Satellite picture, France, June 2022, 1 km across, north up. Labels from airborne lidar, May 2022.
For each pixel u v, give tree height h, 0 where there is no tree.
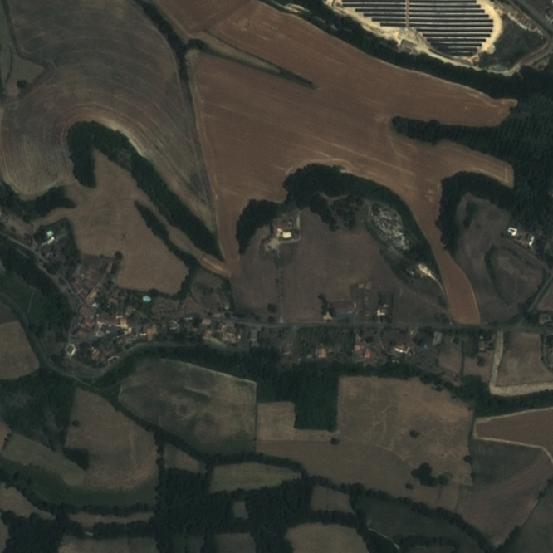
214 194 0
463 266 0
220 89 0
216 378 0
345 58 0
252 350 11
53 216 0
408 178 0
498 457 0
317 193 10
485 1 0
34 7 0
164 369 0
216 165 0
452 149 0
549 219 13
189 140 0
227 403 0
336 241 0
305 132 0
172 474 17
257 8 0
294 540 0
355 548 0
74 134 9
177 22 0
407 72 0
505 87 13
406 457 0
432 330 10
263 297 0
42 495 0
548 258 6
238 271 0
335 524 16
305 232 0
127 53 0
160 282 0
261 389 6
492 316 0
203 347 12
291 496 20
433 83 0
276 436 0
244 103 0
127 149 10
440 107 0
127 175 0
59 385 6
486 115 0
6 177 0
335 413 9
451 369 0
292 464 7
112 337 9
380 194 12
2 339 0
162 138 0
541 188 12
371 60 0
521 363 0
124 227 0
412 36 0
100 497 0
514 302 0
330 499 0
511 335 0
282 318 0
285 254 0
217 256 8
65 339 8
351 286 0
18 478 16
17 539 22
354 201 10
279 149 0
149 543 0
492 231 0
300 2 14
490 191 19
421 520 0
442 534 0
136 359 0
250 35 0
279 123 0
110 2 0
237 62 0
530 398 17
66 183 0
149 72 0
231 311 6
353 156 0
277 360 9
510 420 0
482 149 7
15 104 0
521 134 9
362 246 0
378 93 0
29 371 0
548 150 13
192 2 0
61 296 8
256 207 18
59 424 7
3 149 0
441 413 0
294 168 0
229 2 0
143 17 0
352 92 0
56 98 0
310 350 6
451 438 0
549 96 8
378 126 0
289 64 0
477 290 0
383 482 0
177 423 0
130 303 11
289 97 0
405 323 0
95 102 0
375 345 0
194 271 9
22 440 0
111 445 0
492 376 0
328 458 0
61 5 0
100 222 0
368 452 0
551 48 0
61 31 0
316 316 0
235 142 0
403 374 6
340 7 0
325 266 0
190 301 0
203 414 0
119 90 0
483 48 0
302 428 8
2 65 0
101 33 0
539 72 11
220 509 25
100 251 0
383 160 0
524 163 12
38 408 10
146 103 0
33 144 0
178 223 10
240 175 0
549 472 0
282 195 0
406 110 0
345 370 8
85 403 0
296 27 0
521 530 15
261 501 21
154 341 7
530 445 0
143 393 0
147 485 0
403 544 17
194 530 24
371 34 6
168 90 0
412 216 11
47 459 0
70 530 17
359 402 0
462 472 0
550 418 0
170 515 14
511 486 0
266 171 0
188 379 0
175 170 0
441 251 0
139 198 0
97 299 8
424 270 0
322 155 0
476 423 0
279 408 0
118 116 0
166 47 0
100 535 14
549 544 0
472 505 0
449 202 16
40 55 0
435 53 0
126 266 0
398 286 0
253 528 18
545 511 0
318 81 0
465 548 0
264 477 0
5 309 0
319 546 0
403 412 0
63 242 6
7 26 0
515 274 0
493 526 0
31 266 12
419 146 0
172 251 8
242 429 0
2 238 12
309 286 0
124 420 0
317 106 0
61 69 0
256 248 0
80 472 0
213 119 0
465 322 0
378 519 0
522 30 0
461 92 0
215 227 0
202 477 14
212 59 0
